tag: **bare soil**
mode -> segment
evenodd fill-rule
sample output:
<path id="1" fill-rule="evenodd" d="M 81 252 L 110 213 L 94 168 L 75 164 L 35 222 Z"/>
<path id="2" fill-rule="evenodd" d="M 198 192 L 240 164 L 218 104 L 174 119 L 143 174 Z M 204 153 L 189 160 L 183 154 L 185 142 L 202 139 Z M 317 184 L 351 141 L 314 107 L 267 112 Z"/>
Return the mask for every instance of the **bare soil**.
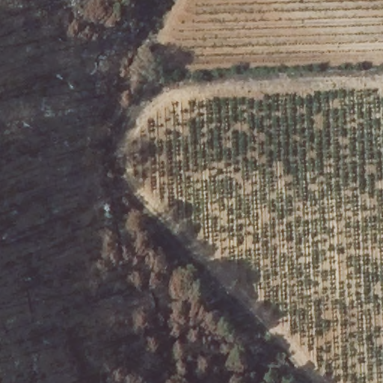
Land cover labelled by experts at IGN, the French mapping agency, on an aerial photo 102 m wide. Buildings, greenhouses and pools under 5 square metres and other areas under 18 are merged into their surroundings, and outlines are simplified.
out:
<path id="1" fill-rule="evenodd" d="M 114 85 L 106 81 L 102 87 L 96 87 L 96 78 L 87 72 L 87 69 L 76 70 L 66 55 L 66 30 L 75 21 L 70 7 L 72 0 L 0 0 L 0 383 L 100 383 L 97 376 L 102 367 L 106 346 L 112 344 L 115 329 L 120 328 L 126 320 L 133 319 L 135 313 L 144 314 L 144 319 L 157 319 L 166 308 L 166 305 L 160 304 L 160 299 L 148 299 L 144 305 L 124 293 L 115 293 L 114 296 L 106 298 L 100 292 L 99 263 L 103 236 L 105 230 L 111 230 L 111 238 L 121 245 L 129 215 L 123 203 L 123 191 L 130 186 L 123 177 L 126 171 L 117 163 L 117 150 L 126 139 L 127 132 L 123 124 L 129 117 L 115 112 L 121 102 L 112 96 Z"/>

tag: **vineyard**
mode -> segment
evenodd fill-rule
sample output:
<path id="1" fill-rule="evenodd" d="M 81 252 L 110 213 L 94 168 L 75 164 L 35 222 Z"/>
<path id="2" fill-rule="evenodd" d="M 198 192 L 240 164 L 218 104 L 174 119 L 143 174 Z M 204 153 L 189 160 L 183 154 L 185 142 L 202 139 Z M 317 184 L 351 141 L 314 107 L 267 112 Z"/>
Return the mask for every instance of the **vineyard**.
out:
<path id="1" fill-rule="evenodd" d="M 233 329 L 232 337 L 238 340 L 244 353 L 247 350 L 253 353 L 271 353 L 277 358 L 278 353 L 283 353 L 289 347 L 293 364 L 301 367 L 307 376 L 317 383 L 383 383 L 383 75 L 356 78 L 302 76 L 290 79 L 286 73 L 280 73 L 280 76 L 274 79 L 229 79 L 183 88 L 165 88 L 162 94 L 147 103 L 136 120 L 135 129 L 127 132 L 126 139 L 117 150 L 117 163 L 126 171 L 123 177 L 130 186 L 136 190 L 136 196 L 144 199 L 145 208 L 150 211 L 138 218 L 138 226 L 144 233 L 144 238 L 150 238 L 163 251 L 160 263 L 168 262 L 169 268 L 174 268 L 175 271 L 193 265 L 194 271 L 190 277 L 199 283 L 205 281 L 208 286 L 206 298 L 221 311 L 224 322 Z"/>
<path id="2" fill-rule="evenodd" d="M 193 63 L 187 64 L 186 67 L 190 72 L 196 72 L 202 69 L 232 67 L 241 63 L 257 67 L 305 66 L 319 63 L 340 66 L 344 63 L 362 61 L 383 63 L 383 0 L 177 0 L 166 13 L 165 24 L 157 33 L 157 40 L 159 43 L 184 46 L 187 51 L 194 52 Z"/>

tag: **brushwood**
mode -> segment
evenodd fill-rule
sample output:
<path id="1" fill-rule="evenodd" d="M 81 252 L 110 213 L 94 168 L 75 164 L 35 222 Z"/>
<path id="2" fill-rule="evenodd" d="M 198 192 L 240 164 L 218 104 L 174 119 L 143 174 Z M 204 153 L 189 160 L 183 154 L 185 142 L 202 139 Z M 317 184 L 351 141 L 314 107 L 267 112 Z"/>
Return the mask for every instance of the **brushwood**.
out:
<path id="1" fill-rule="evenodd" d="M 183 88 L 229 79 L 274 79 L 280 76 L 280 73 L 286 73 L 290 79 L 302 76 L 356 78 L 383 75 L 383 63 L 362 61 L 344 63 L 340 66 L 319 63 L 305 66 L 257 67 L 241 63 L 232 67 L 202 69 L 196 72 L 190 72 L 186 67 L 166 73 L 165 78 L 160 78 L 160 85 L 165 88 Z"/>

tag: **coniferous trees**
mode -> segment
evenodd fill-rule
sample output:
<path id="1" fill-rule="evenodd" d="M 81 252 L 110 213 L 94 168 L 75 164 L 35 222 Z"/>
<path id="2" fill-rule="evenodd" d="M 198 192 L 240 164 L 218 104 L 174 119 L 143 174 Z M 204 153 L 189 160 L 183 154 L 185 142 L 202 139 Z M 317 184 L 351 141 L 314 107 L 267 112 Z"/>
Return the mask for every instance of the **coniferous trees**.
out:
<path id="1" fill-rule="evenodd" d="M 102 87 L 106 81 L 114 85 L 112 96 L 121 102 L 115 112 L 129 117 L 123 124 L 127 132 L 135 129 L 136 120 L 147 103 L 162 94 L 165 88 L 160 85 L 160 78 L 165 78 L 166 73 L 186 67 L 187 64 L 193 63 L 194 52 L 187 51 L 184 46 L 159 43 L 157 40 L 157 33 L 165 24 L 166 13 L 177 0 L 72 0 L 70 7 L 75 21 L 66 30 L 66 55 L 76 70 L 87 69 L 87 72 L 96 78 L 96 87 Z"/>
<path id="2" fill-rule="evenodd" d="M 136 196 L 136 190 L 130 186 L 123 191 L 123 203 L 129 215 L 121 245 L 111 238 L 111 230 L 105 230 L 103 236 L 99 263 L 100 292 L 106 298 L 114 296 L 115 293 L 124 293 L 144 305 L 148 299 L 160 299 L 160 304 L 166 305 L 166 308 L 157 319 L 144 319 L 144 314 L 135 313 L 133 319 L 126 320 L 120 328 L 115 329 L 112 344 L 106 346 L 102 367 L 97 376 L 100 383 L 317 383 L 307 376 L 301 367 L 293 364 L 289 347 L 283 353 L 278 353 L 277 358 L 271 353 L 253 353 L 247 350 L 244 353 L 238 340 L 232 337 L 233 329 L 224 322 L 221 311 L 206 298 L 208 286 L 205 281 L 199 283 L 190 277 L 194 271 L 193 265 L 175 271 L 174 268 L 169 268 L 168 262 L 160 263 L 163 251 L 150 238 L 144 238 L 144 233 L 138 226 L 138 218 L 150 211 L 145 208 L 144 199 Z"/>

